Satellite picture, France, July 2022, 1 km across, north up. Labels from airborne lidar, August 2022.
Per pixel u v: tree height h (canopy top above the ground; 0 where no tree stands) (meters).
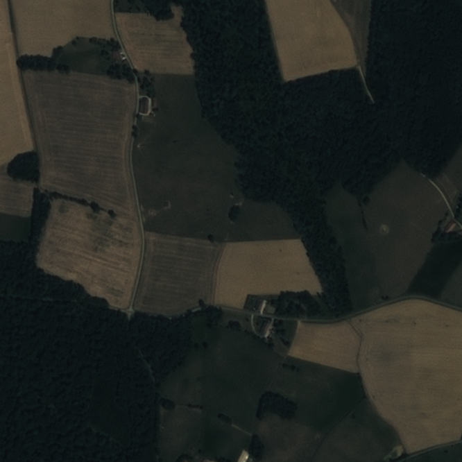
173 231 0
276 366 0
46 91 0
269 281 0
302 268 0
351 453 0
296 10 0
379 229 0
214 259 0
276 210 0
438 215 0
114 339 19
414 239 0
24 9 0
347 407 0
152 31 0
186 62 0
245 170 22
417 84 28
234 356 0
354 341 0
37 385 16
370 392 0
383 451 0
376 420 0
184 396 0
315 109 27
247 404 0
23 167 20
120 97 0
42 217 18
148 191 0
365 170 17
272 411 13
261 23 25
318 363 0
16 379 22
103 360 18
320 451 0
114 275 0
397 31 31
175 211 0
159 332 23
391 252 0
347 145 21
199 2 32
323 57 0
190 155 0
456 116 25
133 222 0
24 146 0
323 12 0
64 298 12
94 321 20
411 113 22
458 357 0
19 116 0
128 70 11
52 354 15
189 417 0
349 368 0
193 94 0
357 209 0
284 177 8
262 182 23
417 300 0
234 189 0
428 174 22
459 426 0
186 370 0
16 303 14
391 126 22
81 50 0
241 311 0
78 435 21
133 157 0
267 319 7
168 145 0
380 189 0
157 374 21
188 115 0
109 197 0
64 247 0
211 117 23
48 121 0
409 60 26
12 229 0
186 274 0
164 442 0
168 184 0
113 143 0
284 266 0
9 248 24
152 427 19
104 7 0
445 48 27
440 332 0
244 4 20
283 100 26
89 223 0
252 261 0
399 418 0
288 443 0
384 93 8
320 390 0
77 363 14
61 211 0
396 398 0
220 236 0
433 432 0
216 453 0
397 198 0
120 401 14
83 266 0
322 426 0
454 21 23
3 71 0
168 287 0
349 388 0
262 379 0
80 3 0
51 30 0
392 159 25
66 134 0
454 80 26
